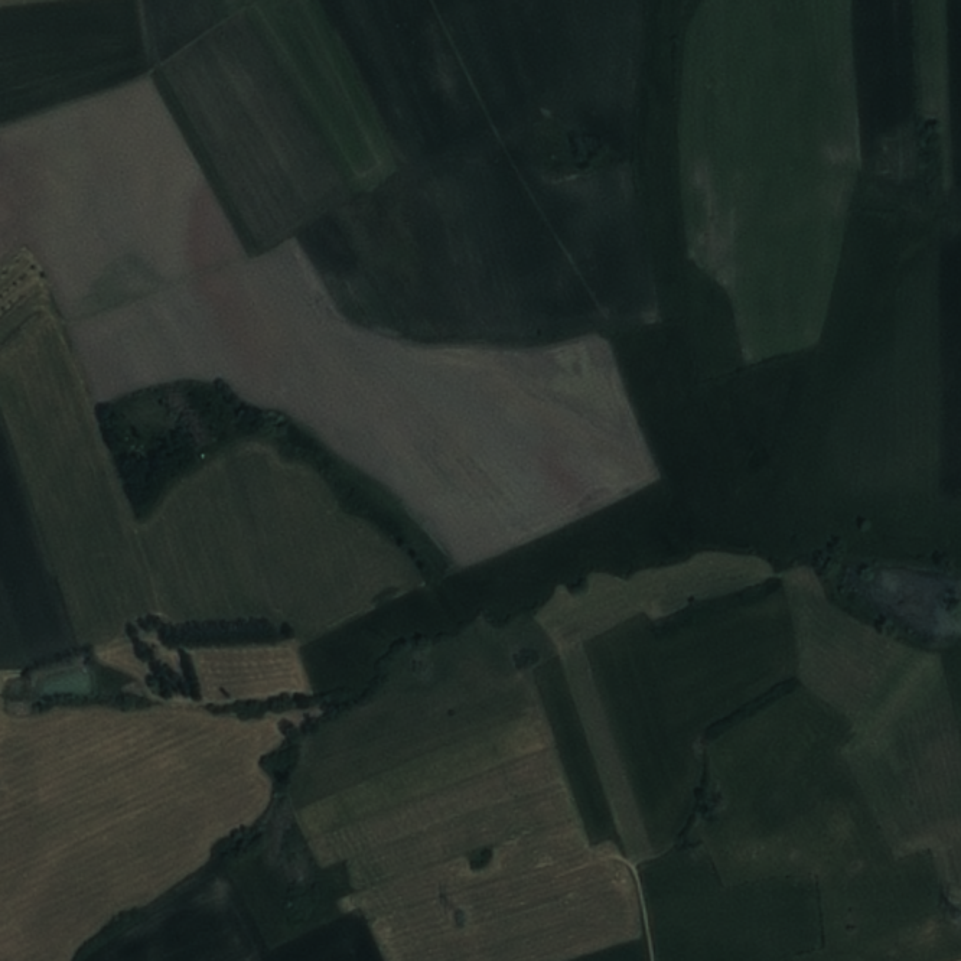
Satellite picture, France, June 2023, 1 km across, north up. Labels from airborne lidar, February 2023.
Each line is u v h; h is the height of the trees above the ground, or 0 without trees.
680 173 0
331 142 0
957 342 0
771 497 0
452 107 0
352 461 0
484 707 0
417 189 0
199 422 10
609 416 0
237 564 0
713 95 0
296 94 0
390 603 0
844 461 0
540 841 0
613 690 0
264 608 0
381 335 0
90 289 0
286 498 0
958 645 0
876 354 0
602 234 0
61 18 0
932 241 0
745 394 0
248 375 0
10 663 0
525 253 0
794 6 0
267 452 0
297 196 0
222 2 0
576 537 0
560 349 0
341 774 0
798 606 0
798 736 0
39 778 0
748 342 0
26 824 0
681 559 0
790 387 0
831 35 0
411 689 0
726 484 0
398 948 0
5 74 0
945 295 0
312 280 0
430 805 0
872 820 0
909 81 0
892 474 0
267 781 0
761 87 0
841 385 0
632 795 0
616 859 0
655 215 0
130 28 0
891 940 0
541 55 0
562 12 0
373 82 0
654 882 0
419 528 0
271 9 0
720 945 0
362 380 0
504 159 0
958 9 0
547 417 0
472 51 0
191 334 0
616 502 0
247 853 18
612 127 0
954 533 0
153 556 0
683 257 0
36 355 0
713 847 0
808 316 0
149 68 0
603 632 0
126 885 0
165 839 0
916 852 0
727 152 0
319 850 0
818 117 0
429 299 0
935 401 0
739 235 0
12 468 0
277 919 0
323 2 0
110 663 0
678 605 0
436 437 0
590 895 0
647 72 0
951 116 0
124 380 0
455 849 0
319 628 0
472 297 0
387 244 0
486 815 0
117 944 0
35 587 0
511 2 0
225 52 0
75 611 0
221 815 0
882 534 0
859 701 0
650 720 0
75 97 0
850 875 0
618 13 0
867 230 0
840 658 0
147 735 0
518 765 0
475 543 0
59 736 0
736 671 0
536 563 0
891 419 0
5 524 0
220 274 0
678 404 0
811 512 0
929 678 0
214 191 0
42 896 0
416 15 0
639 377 0
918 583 0
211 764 0
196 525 0
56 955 0
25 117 0
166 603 0
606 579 0
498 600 0
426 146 0
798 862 0
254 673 0
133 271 0
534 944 0
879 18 0
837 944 0
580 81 0
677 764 0
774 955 0
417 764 0
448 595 0
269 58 0
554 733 0
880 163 0
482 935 0
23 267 0
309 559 0
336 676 0
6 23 0
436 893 0
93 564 0
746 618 0
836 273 0
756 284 0
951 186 0
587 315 0
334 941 0
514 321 0
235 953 0
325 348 0
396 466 0
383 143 0
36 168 0
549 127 0
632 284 0
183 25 0
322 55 0
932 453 0
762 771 0
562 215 0
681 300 0
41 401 0
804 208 0
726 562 0
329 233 0
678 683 0
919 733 0
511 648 0
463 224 0
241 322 0
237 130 0
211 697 0
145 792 0
